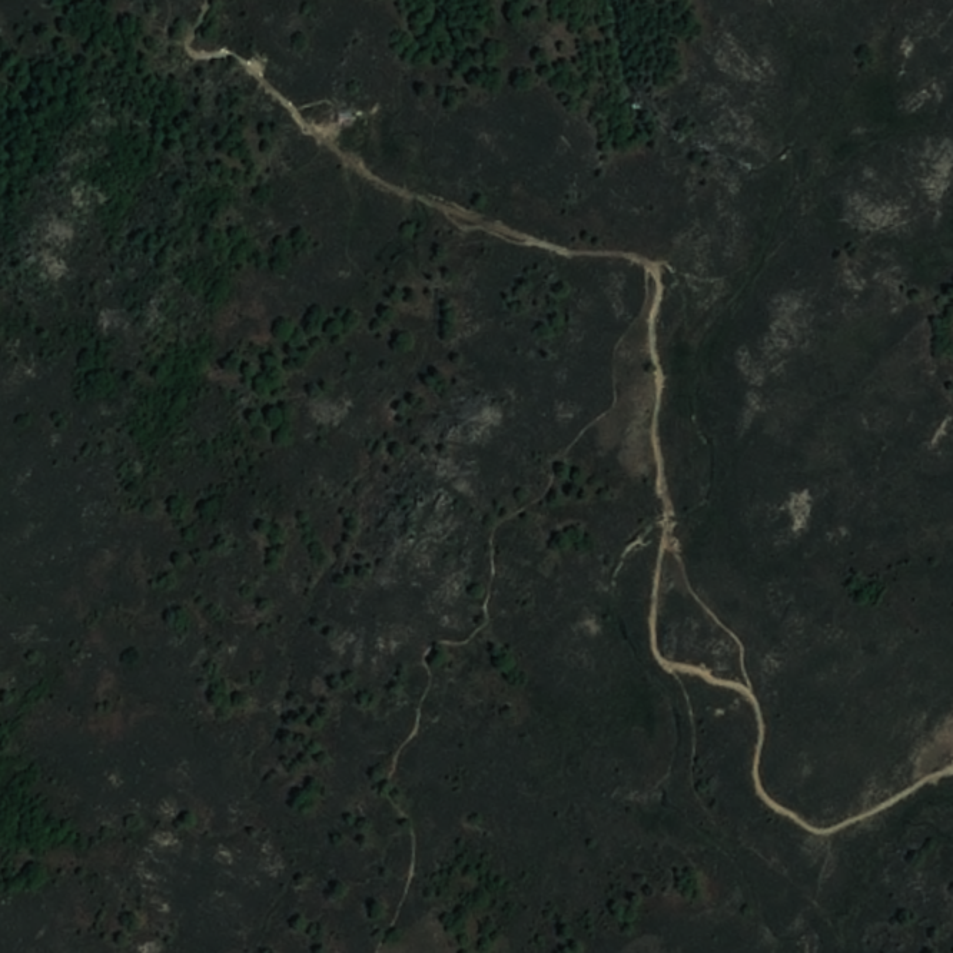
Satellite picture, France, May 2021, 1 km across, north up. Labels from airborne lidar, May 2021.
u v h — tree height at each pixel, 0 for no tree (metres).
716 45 0
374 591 0
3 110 22
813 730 0
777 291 0
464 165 0
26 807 9
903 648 0
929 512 0
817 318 0
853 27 0
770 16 0
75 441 0
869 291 0
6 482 0
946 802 0
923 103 0
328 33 0
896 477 0
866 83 0
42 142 8
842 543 0
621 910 16
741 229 0
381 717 0
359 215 0
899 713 0
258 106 0
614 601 0
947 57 0
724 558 0
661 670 0
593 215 0
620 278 0
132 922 21
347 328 12
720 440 0
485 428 0
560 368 0
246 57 0
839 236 0
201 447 8
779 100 0
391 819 0
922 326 0
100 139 10
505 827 0
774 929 0
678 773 0
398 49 18
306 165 0
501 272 0
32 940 0
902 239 0
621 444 0
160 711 0
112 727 0
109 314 0
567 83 14
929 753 0
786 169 0
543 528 0
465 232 0
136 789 0
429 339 0
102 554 0
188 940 0
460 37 22
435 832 0
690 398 0
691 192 0
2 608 0
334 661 0
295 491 0
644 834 0
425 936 0
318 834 0
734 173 0
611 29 21
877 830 0
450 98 14
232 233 19
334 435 0
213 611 12
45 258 0
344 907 0
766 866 0
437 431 0
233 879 0
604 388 0
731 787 0
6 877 9
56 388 0
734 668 0
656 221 0
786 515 0
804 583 0
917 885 0
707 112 0
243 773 0
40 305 0
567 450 0
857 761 0
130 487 17
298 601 0
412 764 0
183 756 0
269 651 0
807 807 0
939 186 0
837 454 0
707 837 0
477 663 0
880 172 0
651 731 0
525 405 0
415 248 0
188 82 15
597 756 0
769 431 0
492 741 0
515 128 0
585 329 0
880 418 0
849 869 0
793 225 0
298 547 0
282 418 21
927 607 0
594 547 18
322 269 0
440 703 0
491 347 0
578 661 0
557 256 0
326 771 0
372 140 0
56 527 0
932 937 12
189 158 8
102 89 7
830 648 0
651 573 0
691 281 0
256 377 19
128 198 17
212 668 7
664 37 13
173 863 0
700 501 0
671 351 0
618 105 12
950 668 0
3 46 21
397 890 0
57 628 0
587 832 0
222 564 0
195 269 8
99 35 18
